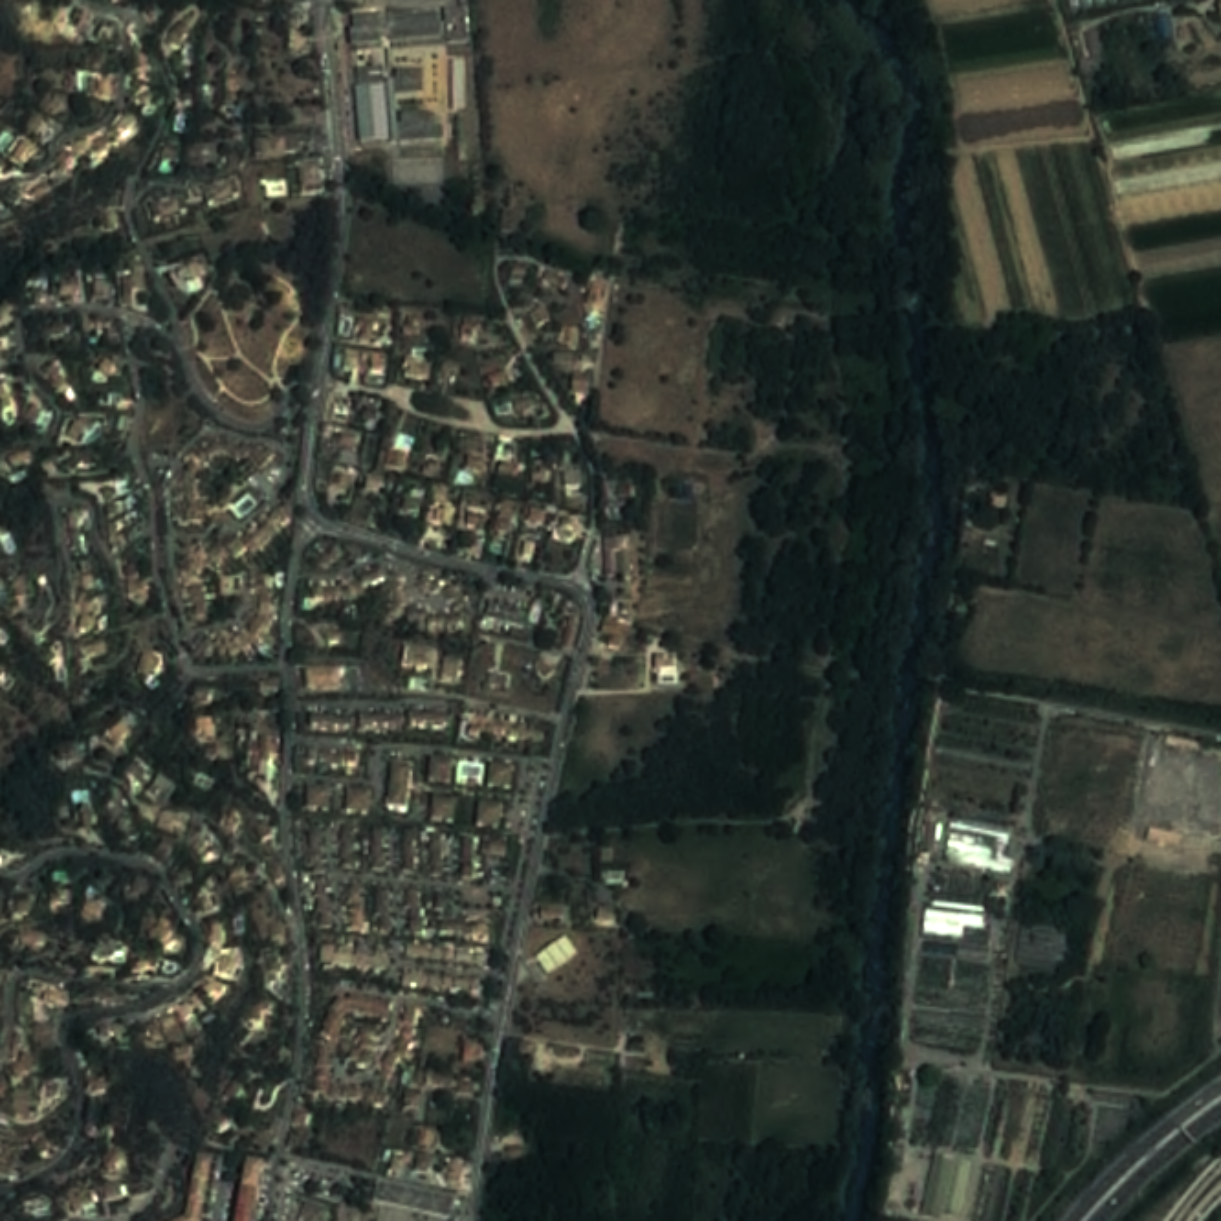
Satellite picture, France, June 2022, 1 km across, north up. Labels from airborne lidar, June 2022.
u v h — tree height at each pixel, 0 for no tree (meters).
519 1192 14
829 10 6
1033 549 0
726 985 8
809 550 13
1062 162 0
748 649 16
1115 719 0
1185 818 0
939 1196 0
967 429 15
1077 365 7
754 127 21
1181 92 10
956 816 7
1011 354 8
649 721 0
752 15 12
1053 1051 14
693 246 6
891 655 23
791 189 11
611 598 16
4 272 12
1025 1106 0
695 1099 6
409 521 12
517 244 13
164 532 7
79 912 8
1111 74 15
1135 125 0
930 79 8
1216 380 0
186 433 8
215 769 8
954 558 7
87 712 12
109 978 9
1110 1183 0
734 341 13
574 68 0
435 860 0
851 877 12
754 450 7
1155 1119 7
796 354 7
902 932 16
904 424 19
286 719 13
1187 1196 0
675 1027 0
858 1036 9
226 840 7
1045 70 0
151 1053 6
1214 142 0
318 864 0
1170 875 0
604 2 0
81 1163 9
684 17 7
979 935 0
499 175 18
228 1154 10
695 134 6
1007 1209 0
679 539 0
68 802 7
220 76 6
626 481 7
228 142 9
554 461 13
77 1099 10
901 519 12
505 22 0
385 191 14
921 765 19
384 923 0
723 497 0
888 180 6
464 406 0
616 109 0
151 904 8
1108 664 0
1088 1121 10
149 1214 7
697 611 0
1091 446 9
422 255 0
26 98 10
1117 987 0
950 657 21
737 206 6
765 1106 0
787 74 6
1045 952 0
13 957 12
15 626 8
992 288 0
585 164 0
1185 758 0
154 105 7
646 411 0
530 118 0
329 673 0
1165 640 0
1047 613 0
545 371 8
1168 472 11
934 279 26
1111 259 0
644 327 0
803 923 0
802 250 8
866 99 26
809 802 0
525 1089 10
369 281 0
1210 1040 0
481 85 9
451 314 9
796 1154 8
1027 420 19
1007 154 0
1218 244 0
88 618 0
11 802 12
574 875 11
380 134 0
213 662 7
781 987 8
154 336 8
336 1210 8
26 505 14
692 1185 8
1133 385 7
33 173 10
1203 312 0
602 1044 0
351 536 0
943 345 26
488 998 8
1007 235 0
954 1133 0
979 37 0
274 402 7
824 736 0
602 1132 7
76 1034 14
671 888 0
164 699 8
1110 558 0
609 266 11
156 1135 10
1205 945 0
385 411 10
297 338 0
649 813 15
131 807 7
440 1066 6
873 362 16
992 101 0
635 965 0
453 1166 0
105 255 16
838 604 12
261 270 8
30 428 12
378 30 0
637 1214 6
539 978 0
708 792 12
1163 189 0
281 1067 9
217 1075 6
